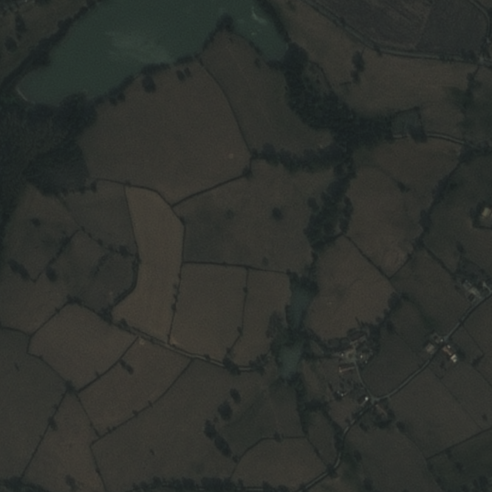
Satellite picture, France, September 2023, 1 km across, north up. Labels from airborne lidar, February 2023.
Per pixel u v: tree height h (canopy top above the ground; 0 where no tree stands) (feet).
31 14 0
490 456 0
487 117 0
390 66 0
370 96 0
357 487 0
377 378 0
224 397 0
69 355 0
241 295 0
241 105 0
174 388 0
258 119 0
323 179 0
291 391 0
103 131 0
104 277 0
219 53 0
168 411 0
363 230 0
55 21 0
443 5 0
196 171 0
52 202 0
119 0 0
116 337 0
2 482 0
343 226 51
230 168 0
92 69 0
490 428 0
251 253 0
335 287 0
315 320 0
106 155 0
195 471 0
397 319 0
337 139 72
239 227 0
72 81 0
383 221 0
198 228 0
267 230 0
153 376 0
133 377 0
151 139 0
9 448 0
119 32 0
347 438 0
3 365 0
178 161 0
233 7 0
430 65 0
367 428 21
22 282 0
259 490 0
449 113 0
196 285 0
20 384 0
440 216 0
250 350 0
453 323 0
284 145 0
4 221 53
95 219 0
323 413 27
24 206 0
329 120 34
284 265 0
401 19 0
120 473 0
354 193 0
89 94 0
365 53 0
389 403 0
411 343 0
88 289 0
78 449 0
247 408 0
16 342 0
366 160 0
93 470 0
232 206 0
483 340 0
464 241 0
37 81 0
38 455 0
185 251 0
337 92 0
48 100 0
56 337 0
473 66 0
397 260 0
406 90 0
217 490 66
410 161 0
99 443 0
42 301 0
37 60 55
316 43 0
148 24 0
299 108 28
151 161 0
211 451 0
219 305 0
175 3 0
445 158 0
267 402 0
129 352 0
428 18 0
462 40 0
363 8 0
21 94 0
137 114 0
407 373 0
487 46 56
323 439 0
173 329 0
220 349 0
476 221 66
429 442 0
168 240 0
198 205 0
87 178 0
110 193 0
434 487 0
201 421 0
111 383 0
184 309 0
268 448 0
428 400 0
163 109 0
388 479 0
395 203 0
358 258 0
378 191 0
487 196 0
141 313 0
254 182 0
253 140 0
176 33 0
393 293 0
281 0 0
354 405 0
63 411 0
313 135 0
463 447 0
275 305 0
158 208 0
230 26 39
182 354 0
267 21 0
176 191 0
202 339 0
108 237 0
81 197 0
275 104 0
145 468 0
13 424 0
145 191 0
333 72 0
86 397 0
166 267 0
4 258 0
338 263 0
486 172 0
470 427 0
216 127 0
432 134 0
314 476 0
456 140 0
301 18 0
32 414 0
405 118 0
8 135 100
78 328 0
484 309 0
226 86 0
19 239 0
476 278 30
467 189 0
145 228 0
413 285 0
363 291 0
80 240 0
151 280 0
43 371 0
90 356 0
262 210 0
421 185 0
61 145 84
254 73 0
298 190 0
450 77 0
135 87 0
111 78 0
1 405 0
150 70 45
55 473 0
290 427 0
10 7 43
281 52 0
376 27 0
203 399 0
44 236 0
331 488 0
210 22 0
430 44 0
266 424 0
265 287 0
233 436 0
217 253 0
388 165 0
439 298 0
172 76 0
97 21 0
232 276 0
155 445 0
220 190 0
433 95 0
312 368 0
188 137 0
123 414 0
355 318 0
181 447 0
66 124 55
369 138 79
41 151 68
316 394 0
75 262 0
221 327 0
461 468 53
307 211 0
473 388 0
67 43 0
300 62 33
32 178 77
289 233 0
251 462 0
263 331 0
